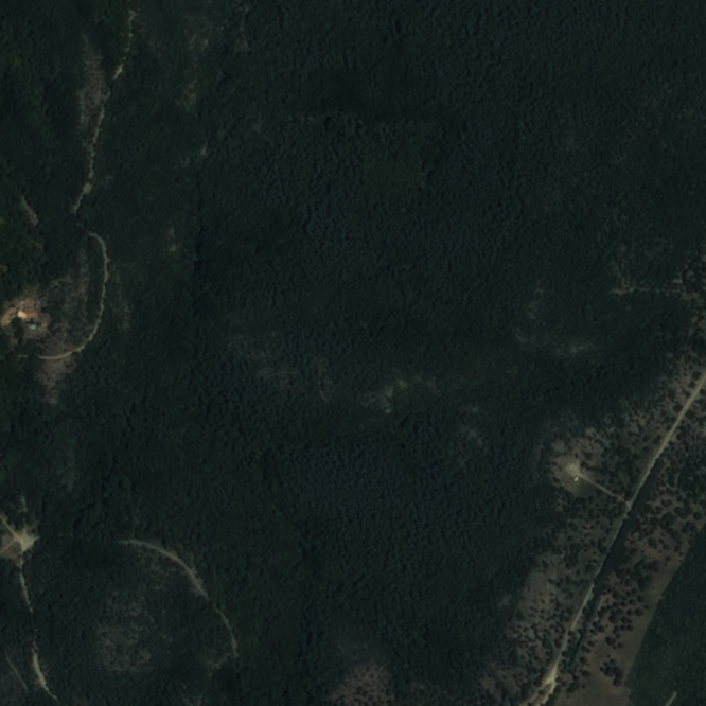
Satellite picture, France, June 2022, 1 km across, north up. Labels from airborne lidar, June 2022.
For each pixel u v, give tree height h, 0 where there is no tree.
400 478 18
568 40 8
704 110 8
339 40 10
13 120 11
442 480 16
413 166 10
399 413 16
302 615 8
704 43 8
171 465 13
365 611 9
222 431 22
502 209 13
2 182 19
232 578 12
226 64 21
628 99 9
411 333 16
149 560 6
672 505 6
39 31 14
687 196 10
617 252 7
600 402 8
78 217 11
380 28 15
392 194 10
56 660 6
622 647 11
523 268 8
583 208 10
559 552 6
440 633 14
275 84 9
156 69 7
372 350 8
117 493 21
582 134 9
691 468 16
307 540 16
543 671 8
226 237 12
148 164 8
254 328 6
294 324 6
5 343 14
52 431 14
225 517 19
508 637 7
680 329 9
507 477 12
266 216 7
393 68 11
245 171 7
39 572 9
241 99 11
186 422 12
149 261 6
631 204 6
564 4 15
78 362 7
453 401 11
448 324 15
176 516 9
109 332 10
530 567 6
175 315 14
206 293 18
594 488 0
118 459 20
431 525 16
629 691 0
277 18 7
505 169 14
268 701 35
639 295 9
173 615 10
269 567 19
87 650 10
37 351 10
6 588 15
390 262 17
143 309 11
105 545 12
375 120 16
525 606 0
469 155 16
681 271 7
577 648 7
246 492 15
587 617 6
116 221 8
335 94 18
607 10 8
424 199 14
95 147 9
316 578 16
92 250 9
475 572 12
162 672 11
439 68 12
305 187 11
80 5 11
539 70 12
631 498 10
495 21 15
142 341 14
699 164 10
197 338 16
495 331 12
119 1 15
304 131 8
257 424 16
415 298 13
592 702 0
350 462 10
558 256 6
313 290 9
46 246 5
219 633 10
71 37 7
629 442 0
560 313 7
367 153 13
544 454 8
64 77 10
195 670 12
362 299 11
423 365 9
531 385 13
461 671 10
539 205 6
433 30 12
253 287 14
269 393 16
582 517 8
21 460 12
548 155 8
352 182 18
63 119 14
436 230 17
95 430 16
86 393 12
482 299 17
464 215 18
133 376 12
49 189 11
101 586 8
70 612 20
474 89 18
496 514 15
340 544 20
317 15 6
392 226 18
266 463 17
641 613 12
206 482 16
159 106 12
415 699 8
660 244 6
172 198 9
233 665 13
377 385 7
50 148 17
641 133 8
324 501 12
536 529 9
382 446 16
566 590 6
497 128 16
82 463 9
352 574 14
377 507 18
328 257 13
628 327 11
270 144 15
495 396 10
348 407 8
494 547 10
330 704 10
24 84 17
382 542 19
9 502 11
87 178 11
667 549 7
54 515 16
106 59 7
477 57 6
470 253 15
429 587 10
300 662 13
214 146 7
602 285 10
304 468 13
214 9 7
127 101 15
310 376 13
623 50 8
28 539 0
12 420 20
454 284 13
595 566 7
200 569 10
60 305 7
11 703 6
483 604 9
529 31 14
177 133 12
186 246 9
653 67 14
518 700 7
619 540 10
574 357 8
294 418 11
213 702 10
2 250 17
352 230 14
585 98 6
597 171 9
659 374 6
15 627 11
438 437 6
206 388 19
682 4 10
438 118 20
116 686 8
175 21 6
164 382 12
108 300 12
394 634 14
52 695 7
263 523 20
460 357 10
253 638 16
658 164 9
